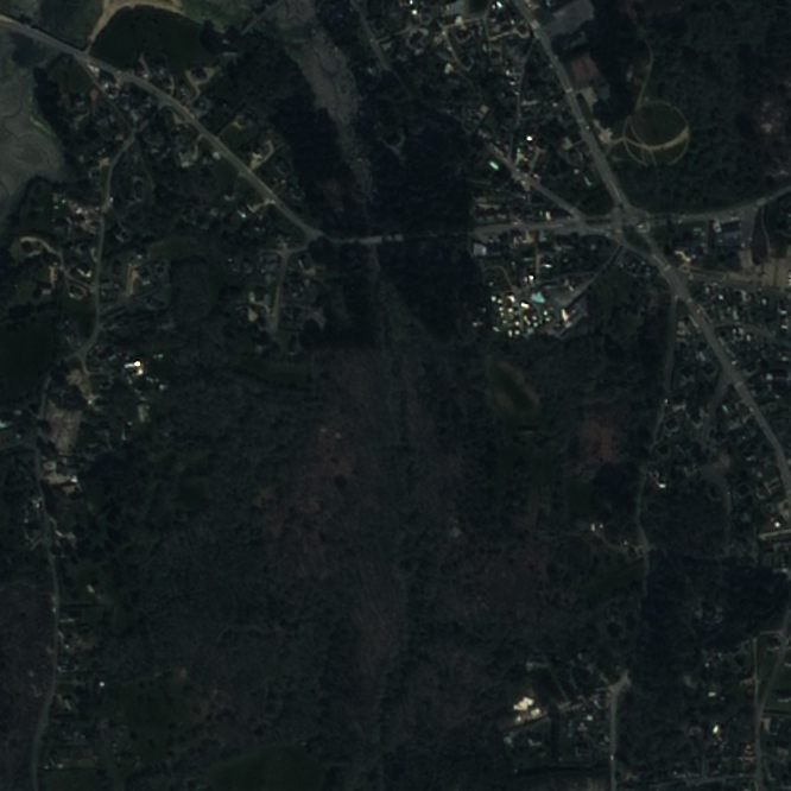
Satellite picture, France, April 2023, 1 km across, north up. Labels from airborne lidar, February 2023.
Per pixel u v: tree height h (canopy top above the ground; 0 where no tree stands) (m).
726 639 24
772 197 0
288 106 19
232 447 12
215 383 21
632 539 9
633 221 0
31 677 0
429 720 13
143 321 10
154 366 0
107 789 15
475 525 19
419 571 16
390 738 18
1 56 0
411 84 24
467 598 9
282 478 8
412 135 17
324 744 20
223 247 12
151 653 16
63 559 17
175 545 18
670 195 10
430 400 18
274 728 10
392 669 8
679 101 8
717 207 0
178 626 12
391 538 18
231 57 0
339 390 15
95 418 10
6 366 0
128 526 18
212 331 14
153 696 0
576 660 6
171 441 9
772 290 0
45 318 0
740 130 20
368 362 22
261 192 0
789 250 0
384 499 17
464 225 19
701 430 0
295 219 0
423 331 11
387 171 27
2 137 0
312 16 0
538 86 15
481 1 0
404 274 29
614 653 13
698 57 9
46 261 8
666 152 0
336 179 21
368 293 19
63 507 0
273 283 0
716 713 13
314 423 8
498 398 0
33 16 0
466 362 11
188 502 0
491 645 6
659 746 8
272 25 0
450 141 28
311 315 0
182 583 14
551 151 8
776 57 17
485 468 18
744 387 0
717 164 8
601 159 0
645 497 8
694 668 17
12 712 9
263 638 9
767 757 0
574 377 16
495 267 0
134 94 6
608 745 0
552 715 7
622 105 14
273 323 0
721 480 0
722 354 0
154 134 15
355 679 21
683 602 15
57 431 0
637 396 8
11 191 0
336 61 0
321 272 0
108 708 0
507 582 0
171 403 14
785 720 0
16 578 8
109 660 13
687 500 13
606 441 0
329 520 9
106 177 0
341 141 0
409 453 21
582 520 9
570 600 13
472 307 28
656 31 16
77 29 0
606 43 23
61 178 0
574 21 0
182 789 12
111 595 0
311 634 13
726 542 14
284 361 8
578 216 0
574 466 8
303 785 0
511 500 11
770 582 16
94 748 14
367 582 20
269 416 13
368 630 15
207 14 0
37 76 0
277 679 10
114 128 9
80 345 0
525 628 15
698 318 0
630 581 0
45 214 0
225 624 11
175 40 0
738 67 8
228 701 11
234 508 25
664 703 22
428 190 23
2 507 16
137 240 9
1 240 0
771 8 6
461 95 8
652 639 11
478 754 15
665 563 25
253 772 0
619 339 10
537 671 0
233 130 0
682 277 0
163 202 16
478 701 11
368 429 23
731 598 21
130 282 0
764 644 0
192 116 0
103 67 0
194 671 10
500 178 7
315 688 7
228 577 15
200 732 11
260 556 13
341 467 0
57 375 14
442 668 11
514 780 6
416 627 9
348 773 29
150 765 0
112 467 23
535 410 0
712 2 7
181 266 15
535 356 19
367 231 13
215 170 0
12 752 10
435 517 13
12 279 15
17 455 8
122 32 0
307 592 6
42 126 0
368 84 19
